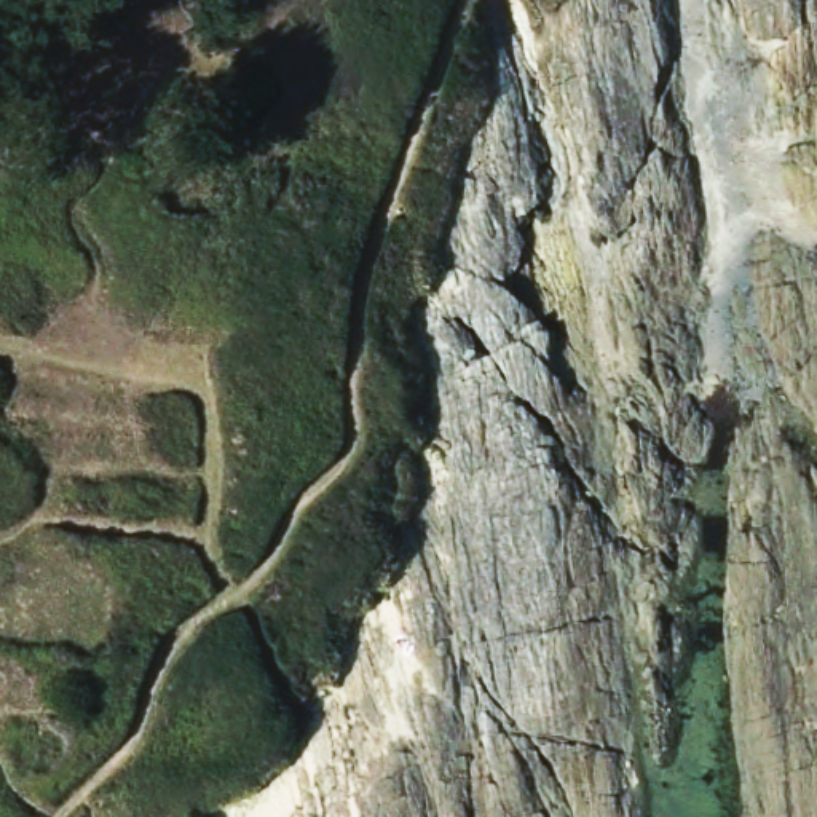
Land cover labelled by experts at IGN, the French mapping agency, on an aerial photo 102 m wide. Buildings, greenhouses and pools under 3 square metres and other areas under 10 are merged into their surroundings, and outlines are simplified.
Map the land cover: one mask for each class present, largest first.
<instances>
[{"label":"bare soil","instance_id":"1","mask_svg":"<svg viewBox=\"0 0 817 817\"><path fill-rule=\"evenodd\" d=\"M124 19L147 16L156 29L179 35V45L188 51L195 70L188 86L179 93L195 109L220 112L230 121L223 140L233 144L239 160L271 150V144H294L306 137V118L326 102L335 73V54L329 48L326 26L329 0H227L233 13V48L227 54H211L201 48V35L191 26L188 0H112ZM533 35L539 41L543 77L536 80L523 64H517L514 48L507 54H498L501 96L485 131H479L472 140L463 207L450 239L453 271L428 300V332L440 357V431L434 444H428L424 437L412 444V450H418L431 469V501L424 507V549L412 558L402 581L389 587L383 603L364 616L357 661L348 680L341 686H335L326 673L313 680L326 718L306 744V750L300 753V760L287 766L259 795L230 804L227 814L201 807L188 817H632V804L638 798V776L648 772V763L661 760L670 705L654 686V670L661 664L654 610L667 597V568L661 565V552L667 546L657 536L661 514L654 507L657 456L651 444L632 440L629 421H641L651 431H661L664 444L683 463H702L712 447V424H702L699 415L689 412V399H708L718 383L728 389V396L737 399L740 412L747 409V402H756V421L734 431V444L724 463L728 571L721 632L731 683V731L740 769L744 817H817V0H523Z\"/></svg>","mask_w":817,"mask_h":817},{"label":"herbaceous vegetation","instance_id":"2","mask_svg":"<svg viewBox=\"0 0 817 817\"><path fill-rule=\"evenodd\" d=\"M514 0H329L326 26L329 48L335 54V73L326 102L306 118V137L294 144H271V150L239 160L233 166H207L201 176L211 179V188L220 191L223 201H214L211 207H204L201 201L182 204L176 191L153 188L144 179L121 172L118 156L105 160L102 176L67 172L61 179L54 176L51 182H45L29 169L22 147H0V335H38L57 306L77 303L89 290L93 278H99L102 287L112 294V310H121L124 322L140 329L147 338L160 345L211 348L227 463L217 539L227 555V565L243 581L274 552L300 495L348 453L354 440L351 370L357 364L361 348L370 351V370L361 383L367 450L306 511L300 530L294 533L287 558L249 597V603L230 606L227 613L214 616L191 638L185 654L172 664L169 683L163 689V712L144 750L128 766H121L102 788H96L93 798L73 817H188L201 807L227 814L230 804L259 795L287 766L300 760V753L306 750V744L326 718L313 680L326 673L335 686H341L348 680L357 661L364 616L383 603L389 587L402 581L412 558L424 549V507L431 501V469L418 450H412V444L424 437L428 444H434L440 431V357L428 332V300L453 271L450 239L463 207L472 140L479 131H485L501 96L498 54H507L514 48ZM424 109L431 112V131L421 144L418 166L409 182L405 211L399 217H389L386 211L393 201V188ZM16 389V370L6 354H0V654L16 657L26 667V673L38 677V689L67 670H89L102 677V715L86 731H70L73 747L61 750V740L41 734L32 718H6L0 731V817H51L105 760H112L134 737L150 699V686L182 622L211 600H217V594H223L227 587L214 562L207 558L204 546L195 539H182L172 533H124L118 543H83L64 536L57 523L35 527L32 514L41 504L67 507L64 523L73 520V514L86 511L124 520L204 523L207 488L204 482L179 485L172 479H160L150 472L64 476L48 469L41 450L51 444V428L45 418H6V405ZM147 450L166 460L169 466H204L207 418L201 396L188 389H160L147 393L137 402Z\"/></svg>","mask_w":817,"mask_h":817},{"label":"pervious surface","instance_id":"3","mask_svg":"<svg viewBox=\"0 0 817 817\"><path fill-rule=\"evenodd\" d=\"M514 48L517 64H523L536 80L543 77L539 41L533 35L523 0H514ZM431 131V112L424 109L393 188V201L386 211L389 217H399L405 211L409 182L418 166L421 144ZM0 354H6L16 370V389L6 405V418H45L51 428V444L41 450L48 469L64 476L150 472L160 479H172L179 485L204 482L207 488L204 523L124 520L86 511L73 514V520L64 523L67 507L41 504L32 514L35 527L57 523L64 536L83 543H118L124 533H172L182 539H195L204 546L207 558L214 562L227 587L223 594H217V600H211L182 622L150 686V699L134 737L112 760H105L51 817H73L93 798L96 788H102L121 766H128L144 750L163 712V689L169 683L172 664L185 654L191 638L214 616L227 613L230 606L249 603V597L287 558L294 533L300 530L306 511L367 450L361 383L370 370V351L361 348L357 364L351 370L354 440L348 453L300 495L274 552L243 581L227 565V555L217 539L227 463L211 348L160 345L147 338L140 329L124 322L121 310H112V294L102 287L99 278H93L89 290L77 303L57 306L38 335H0ZM160 389H188L201 396L207 418L204 466H169L166 460L147 450L137 402L147 393ZM6 718H32L41 734L61 740V750L73 747L70 731L67 724L51 718V708L41 702L38 689V677L26 673V667L16 657L0 654V731Z\"/></svg>","mask_w":817,"mask_h":817},{"label":"deciduous trees","instance_id":"4","mask_svg":"<svg viewBox=\"0 0 817 817\"><path fill-rule=\"evenodd\" d=\"M195 70L188 51L179 45V35L156 29L147 16L124 19L112 0H0V147H22L29 169L45 182H51L54 176L61 179L67 172L102 176L105 160L118 156L121 172L144 179L153 188L176 191L179 182L201 176L207 166H233L239 160L233 144L223 140L230 121L220 112L195 109L179 93L188 86ZM191 26L201 35V48L211 54H227L233 48V13L227 0H188Z\"/></svg>","mask_w":817,"mask_h":817},{"label":"water","instance_id":"5","mask_svg":"<svg viewBox=\"0 0 817 817\"><path fill-rule=\"evenodd\" d=\"M689 412L699 415L702 424H712V447L702 463H683L664 444L661 431H651L641 421H629L632 440L651 444L657 456L654 507L661 514L657 536L667 546L661 552V565L667 568V597L654 610L661 664L654 670V686L670 705L661 760L648 763V772L638 776V798L632 804V817H744L740 769L731 731V683L721 632L728 571L724 463L734 444V431L756 421V402H747V409L740 412L737 399L728 396V389L718 383L708 399H689Z\"/></svg>","mask_w":817,"mask_h":817},{"label":"brushwood","instance_id":"6","mask_svg":"<svg viewBox=\"0 0 817 817\"><path fill-rule=\"evenodd\" d=\"M182 204L201 201L204 207H211L214 201H223L220 191L211 188V179L201 176L179 182L176 191ZM41 702L51 708V718L67 724L70 731H86L102 715V677L89 670H67L38 689Z\"/></svg>","mask_w":817,"mask_h":817}]
</instances>
